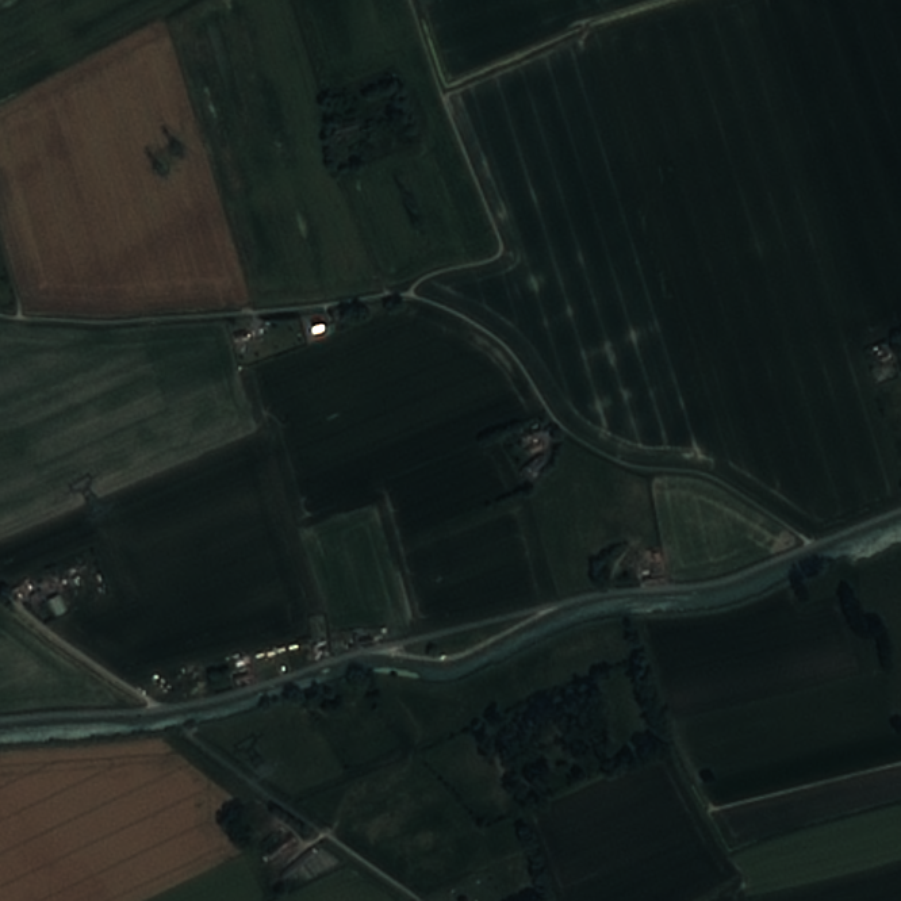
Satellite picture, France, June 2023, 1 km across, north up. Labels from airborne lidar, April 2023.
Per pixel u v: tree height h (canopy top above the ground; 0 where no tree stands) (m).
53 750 0
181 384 0
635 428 0
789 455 0
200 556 0
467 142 0
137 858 0
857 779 0
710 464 0
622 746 0
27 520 0
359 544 0
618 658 0
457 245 0
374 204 0
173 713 0
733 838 0
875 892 0
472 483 0
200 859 0
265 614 0
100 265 0
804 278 0
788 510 0
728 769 0
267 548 0
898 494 0
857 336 0
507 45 0
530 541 0
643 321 0
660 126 0
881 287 0
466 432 0
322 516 0
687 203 0
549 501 0
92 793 0
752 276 0
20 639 0
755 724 0
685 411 0
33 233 0
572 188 0
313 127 0
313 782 0
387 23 0
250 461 0
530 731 28
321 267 0
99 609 0
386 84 14
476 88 0
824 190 0
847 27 0
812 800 0
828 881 0
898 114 0
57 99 0
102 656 0
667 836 0
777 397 0
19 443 0
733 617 0
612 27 0
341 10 0
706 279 0
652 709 29
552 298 0
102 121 0
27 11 0
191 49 0
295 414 0
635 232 0
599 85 0
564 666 0
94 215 0
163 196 0
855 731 0
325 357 0
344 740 0
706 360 0
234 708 0
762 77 0
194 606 0
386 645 0
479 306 0
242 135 0
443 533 0
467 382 0
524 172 0
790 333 0
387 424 0
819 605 0
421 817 0
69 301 0
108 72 0
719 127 0
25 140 0
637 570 0
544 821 0
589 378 0
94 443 0
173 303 0
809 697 0
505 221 0
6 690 0
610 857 0
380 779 0
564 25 0
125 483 0
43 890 0
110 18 0
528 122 0
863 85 0
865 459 0
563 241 0
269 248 0
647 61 0
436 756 0
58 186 0
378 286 0
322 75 0
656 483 0
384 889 0
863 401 0
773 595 0
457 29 0
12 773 0
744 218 0
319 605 0
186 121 0
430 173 0
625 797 0
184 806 0
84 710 0
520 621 0
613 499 0
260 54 0
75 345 0
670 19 0
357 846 0
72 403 0
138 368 0
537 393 0
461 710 0
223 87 0
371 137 9
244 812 19
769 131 0
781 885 0
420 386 0
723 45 0
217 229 0
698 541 0
